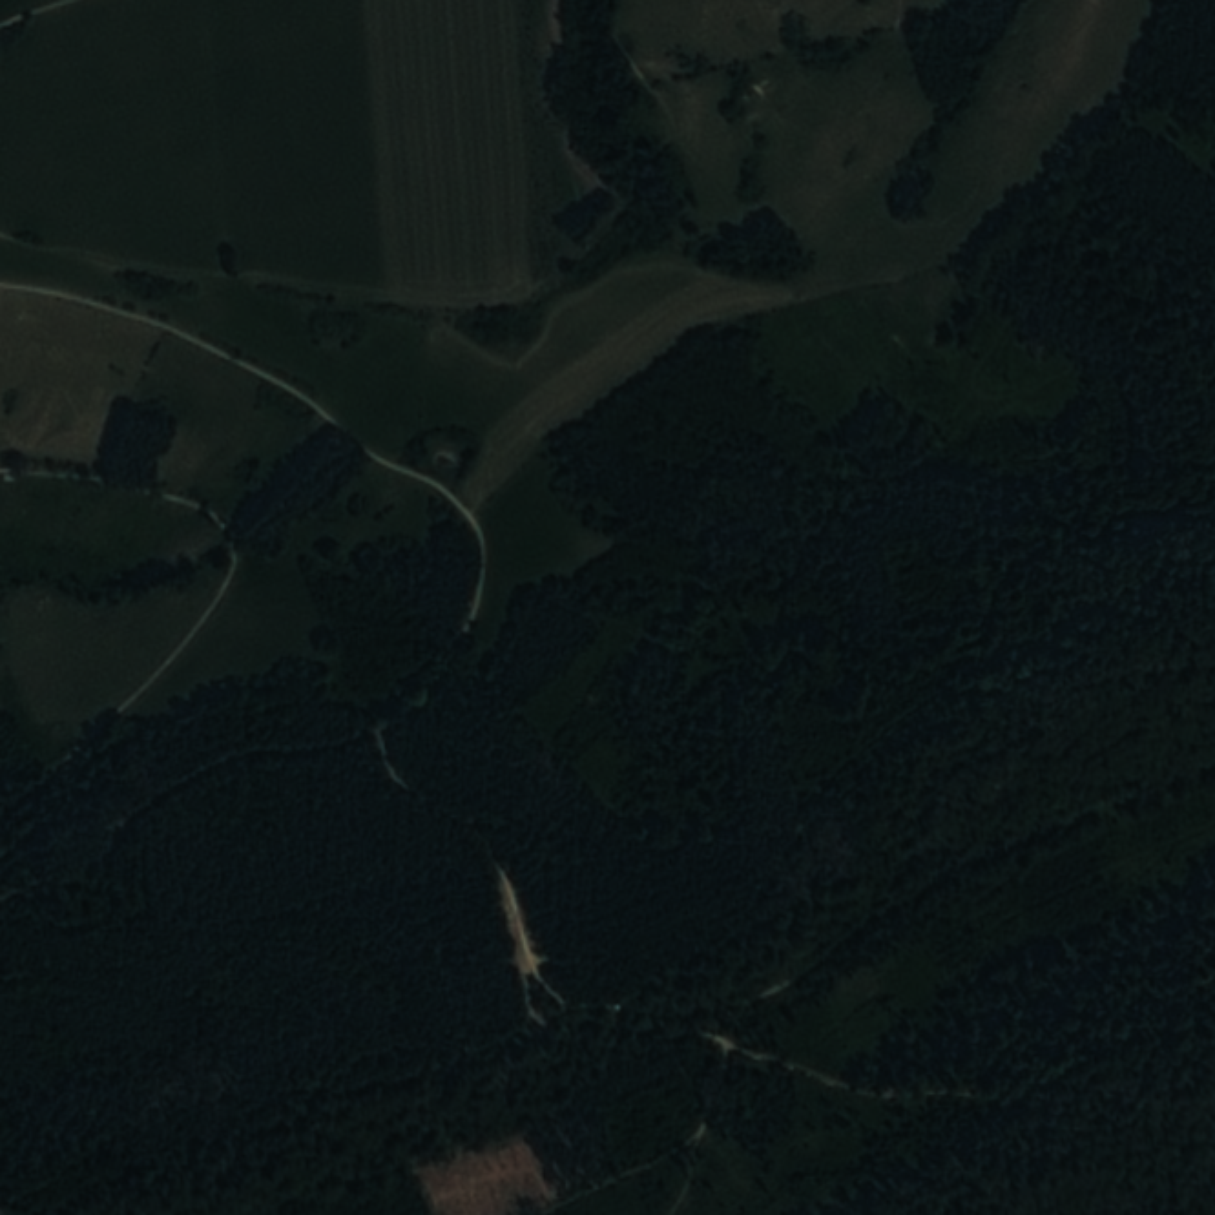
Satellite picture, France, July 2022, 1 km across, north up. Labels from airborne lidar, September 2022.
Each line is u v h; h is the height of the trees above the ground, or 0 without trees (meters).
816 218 0
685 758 9
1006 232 27
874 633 18
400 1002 17
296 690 17
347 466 24
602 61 20
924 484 19
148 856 20
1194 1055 21
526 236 0
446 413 0
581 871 23
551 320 0
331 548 18
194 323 0
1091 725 20
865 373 0
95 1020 13
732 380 18
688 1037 15
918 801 7
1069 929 7
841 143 0
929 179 16
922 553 7
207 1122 15
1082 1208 23
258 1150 27
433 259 0
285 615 0
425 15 0
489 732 18
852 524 18
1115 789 19
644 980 11
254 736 11
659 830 27
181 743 18
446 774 18
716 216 0
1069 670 14
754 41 0
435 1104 27
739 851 21
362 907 23
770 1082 10
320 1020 12
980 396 0
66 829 23
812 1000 22
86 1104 20
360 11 0
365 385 0
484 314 8
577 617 20
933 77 19
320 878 20
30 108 0
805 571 25
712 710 11
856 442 25
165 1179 21
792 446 16
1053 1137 37
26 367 0
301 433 0
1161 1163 23
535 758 17
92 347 0
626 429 16
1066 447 16
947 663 5
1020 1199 24
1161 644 19
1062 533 23
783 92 0
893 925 23
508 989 21
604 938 20
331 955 15
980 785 24
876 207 0
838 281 0
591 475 20
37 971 10
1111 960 26
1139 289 17
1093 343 25
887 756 9
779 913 18
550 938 20
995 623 30
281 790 18
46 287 0
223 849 19
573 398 0
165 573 24
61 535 0
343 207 0
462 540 21
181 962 12
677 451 13
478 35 0
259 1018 20
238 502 0
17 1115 22
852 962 20
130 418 26
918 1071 35
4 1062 11
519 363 0
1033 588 22
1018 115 0
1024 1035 18
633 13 0
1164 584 24
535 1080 20
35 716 0
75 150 0
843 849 20
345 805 18
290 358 0
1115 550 22
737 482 23
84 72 0
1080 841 6
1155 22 12
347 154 0
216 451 0
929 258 0
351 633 7
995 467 8
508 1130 19
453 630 22
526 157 0
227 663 0
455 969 21
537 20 0
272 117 0
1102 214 23
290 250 0
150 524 0
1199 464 18
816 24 0
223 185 0
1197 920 16
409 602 7
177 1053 17
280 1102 18
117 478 24
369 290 0
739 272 12
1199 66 19
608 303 0
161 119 0
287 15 0
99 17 0
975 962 8
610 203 15
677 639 21
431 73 0
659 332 0
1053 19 0
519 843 17
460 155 0
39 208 0
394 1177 6
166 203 0
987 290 26
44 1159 15
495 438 0
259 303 0
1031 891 8
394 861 22
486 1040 11
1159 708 21
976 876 22
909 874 17
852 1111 10
